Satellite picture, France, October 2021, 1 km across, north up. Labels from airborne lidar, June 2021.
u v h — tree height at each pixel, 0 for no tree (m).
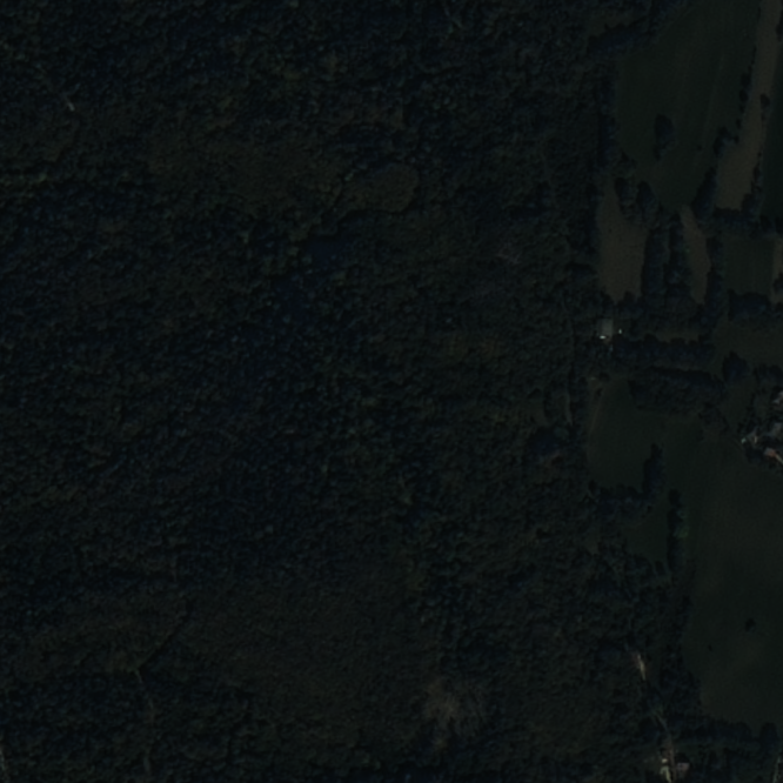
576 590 26
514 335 14
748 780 20
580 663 24
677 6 21
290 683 13
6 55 27
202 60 18
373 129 27
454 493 26
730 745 17
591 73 6
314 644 18
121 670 19
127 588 16
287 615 21
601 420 0
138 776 25
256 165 22
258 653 15
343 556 23
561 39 14
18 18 23
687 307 22
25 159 26
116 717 23
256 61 27
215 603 21
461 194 32
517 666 23
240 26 22
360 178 22
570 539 18
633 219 14
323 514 15
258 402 27
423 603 22
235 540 21
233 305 30
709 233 17
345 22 17
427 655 21
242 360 24
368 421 32
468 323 30
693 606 14
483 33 23
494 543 21
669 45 0
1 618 25
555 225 20
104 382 27
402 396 22
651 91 0
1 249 26
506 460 31
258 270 33
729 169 0
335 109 27
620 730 27
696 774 11
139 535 22
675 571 15
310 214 27
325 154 18
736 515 0
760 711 0
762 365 0
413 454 9
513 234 26
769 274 0
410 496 6
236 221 31
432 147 32
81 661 27
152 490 19
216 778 27
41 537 25
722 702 0
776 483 0
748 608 0
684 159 0
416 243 19
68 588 19
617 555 17
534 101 7
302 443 24
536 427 9
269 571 25
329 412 11
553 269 24
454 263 18
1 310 22
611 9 18
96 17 26
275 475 26
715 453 0
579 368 13
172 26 27
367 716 17
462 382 31
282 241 30
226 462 23
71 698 21
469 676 28
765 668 0
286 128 27
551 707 23
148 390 19
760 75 0
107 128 19
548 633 29
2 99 13
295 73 31
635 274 0
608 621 26
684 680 7
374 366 9
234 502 23
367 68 29
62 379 30
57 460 30
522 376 19
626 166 21
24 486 26
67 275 20
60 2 24
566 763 29
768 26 0
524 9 22
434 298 27
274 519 25
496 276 25
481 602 21
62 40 34
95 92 24
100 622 26
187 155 22
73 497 28
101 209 24
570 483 21
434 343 33
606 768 21
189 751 21
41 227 19
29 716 20
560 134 8
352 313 19
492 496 26
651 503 15
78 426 31
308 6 31
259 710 20
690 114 0
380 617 18
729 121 0
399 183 21
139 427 26
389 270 35
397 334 29
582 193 9
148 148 22
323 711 23
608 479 0
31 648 23
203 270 26
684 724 10
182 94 27
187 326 29
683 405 20
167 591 20
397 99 28
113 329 8
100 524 25
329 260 22
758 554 0
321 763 20
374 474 19
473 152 27
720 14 0
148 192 34
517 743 23
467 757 32
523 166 23
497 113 21
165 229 29
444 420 27
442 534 24
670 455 0
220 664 25
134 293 23
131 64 29
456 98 29
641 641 9
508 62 22
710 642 0
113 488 20
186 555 18
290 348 21
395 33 27
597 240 18
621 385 0
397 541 23
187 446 26
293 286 18
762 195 10
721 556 0
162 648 16
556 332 19
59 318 25
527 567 25
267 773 29
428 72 31
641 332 15
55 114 23
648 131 0
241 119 29
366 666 11
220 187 25
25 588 25
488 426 29
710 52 0
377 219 26
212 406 26
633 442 0
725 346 0
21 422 30
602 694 31
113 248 23
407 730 27
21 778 21
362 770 18
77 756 25
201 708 18
